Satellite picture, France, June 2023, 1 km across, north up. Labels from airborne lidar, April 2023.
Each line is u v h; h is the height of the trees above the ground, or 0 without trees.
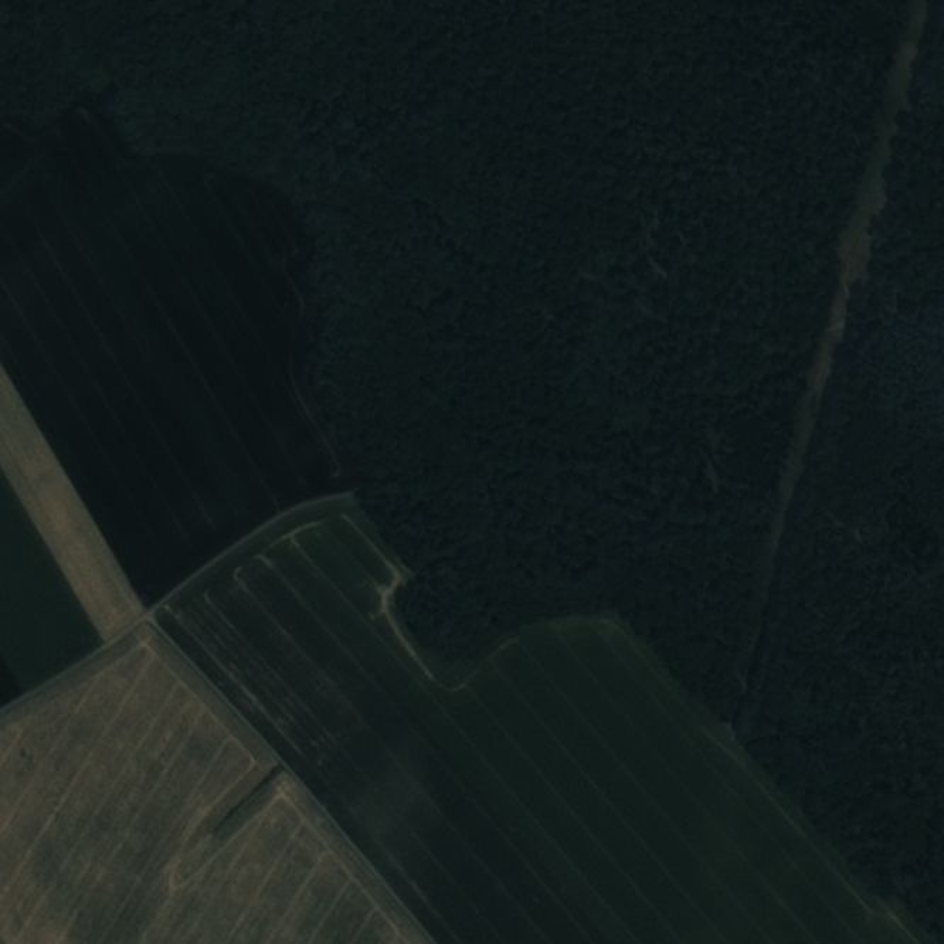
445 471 23
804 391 19
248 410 0
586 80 23
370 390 23
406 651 0
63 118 0
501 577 27
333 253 21
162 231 0
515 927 0
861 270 0
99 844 0
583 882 0
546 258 25
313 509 0
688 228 22
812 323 20
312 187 20
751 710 18
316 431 0
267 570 0
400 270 27
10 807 0
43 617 0
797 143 20
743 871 0
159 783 0
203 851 0
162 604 0
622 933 0
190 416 0
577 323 21
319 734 0
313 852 0
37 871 0
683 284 22
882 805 18
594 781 0
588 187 21
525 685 0
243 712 0
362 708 0
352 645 0
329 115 22
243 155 19
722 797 0
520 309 21
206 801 0
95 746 0
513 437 25
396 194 25
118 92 22
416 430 25
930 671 20
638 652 0
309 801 0
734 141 18
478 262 8
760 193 21
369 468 18
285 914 0
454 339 25
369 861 0
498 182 22
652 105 25
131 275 0
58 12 23
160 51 24
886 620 10
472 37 19
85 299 0
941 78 24
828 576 25
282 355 0
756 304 24
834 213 23
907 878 18
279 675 0
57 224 0
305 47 23
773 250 24
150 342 0
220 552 0
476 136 22
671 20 21
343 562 0
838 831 21
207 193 0
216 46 18
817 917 0
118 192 0
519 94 23
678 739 0
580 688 0
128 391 0
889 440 22
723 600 23
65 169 0
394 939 0
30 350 0
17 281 0
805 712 28
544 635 0
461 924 0
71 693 0
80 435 0
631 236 20
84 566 0
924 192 20
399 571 0
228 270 0
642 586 26
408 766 0
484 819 0
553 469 25
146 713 0
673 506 21
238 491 0
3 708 0
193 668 0
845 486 24
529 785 0
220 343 0
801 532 21
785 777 22
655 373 13
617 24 18
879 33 9
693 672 22
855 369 25
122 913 0
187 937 0
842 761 29
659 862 0
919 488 21
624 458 25
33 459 0
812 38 7
